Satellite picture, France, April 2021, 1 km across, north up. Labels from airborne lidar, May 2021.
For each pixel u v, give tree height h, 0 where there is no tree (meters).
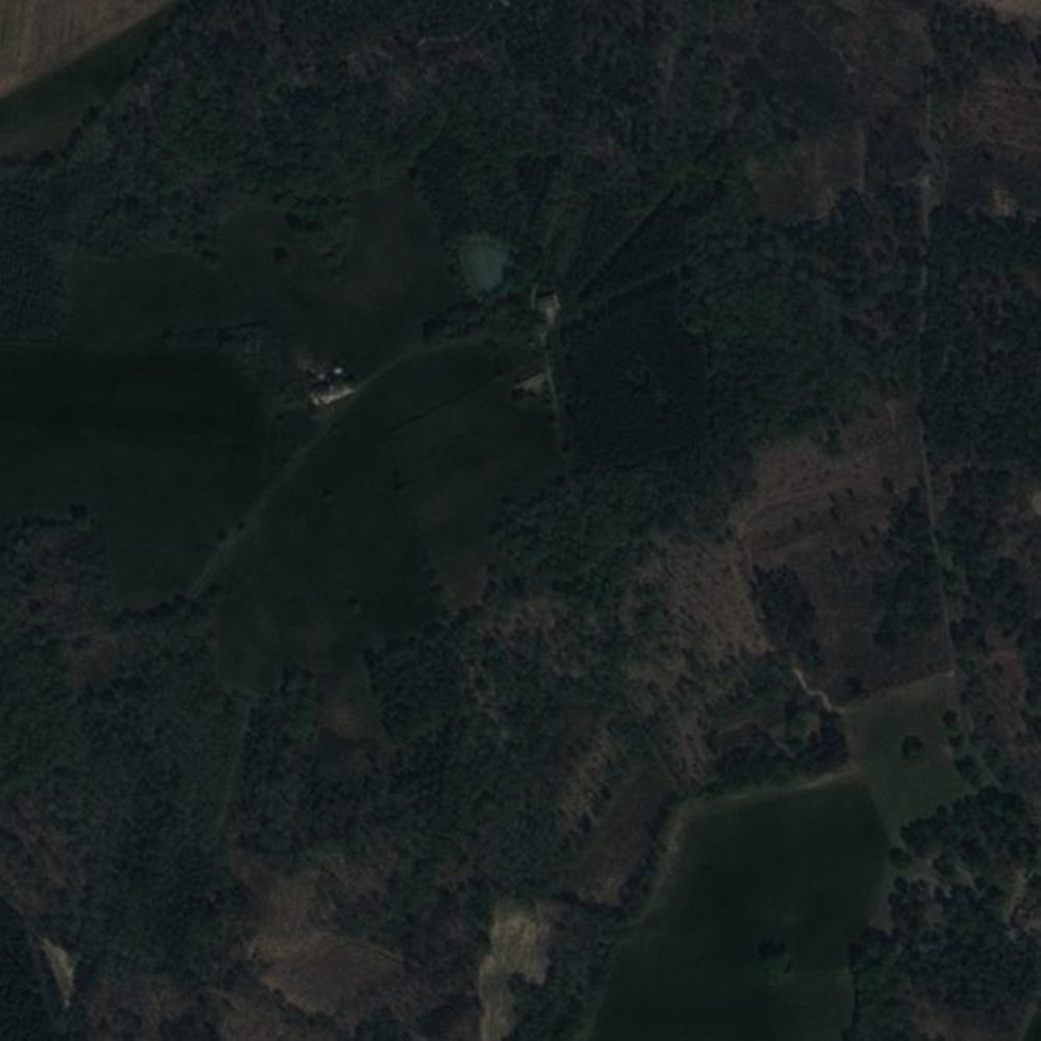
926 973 24
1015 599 17
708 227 20
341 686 0
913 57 0
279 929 0
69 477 0
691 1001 0
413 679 26
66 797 19
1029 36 12
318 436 0
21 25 0
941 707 0
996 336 22
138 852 23
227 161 26
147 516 0
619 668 23
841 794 0
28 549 12
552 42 20
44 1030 18
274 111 23
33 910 14
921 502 17
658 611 16
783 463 0
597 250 13
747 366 23
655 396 16
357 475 0
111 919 21
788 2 0
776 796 0
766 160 23
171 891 24
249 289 0
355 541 0
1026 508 10
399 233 0
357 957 0
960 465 7
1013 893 0
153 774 22
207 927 27
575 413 12
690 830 0
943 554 13
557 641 19
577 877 0
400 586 0
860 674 0
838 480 0
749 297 25
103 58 0
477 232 16
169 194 15
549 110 17
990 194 0
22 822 28
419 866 12
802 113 0
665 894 0
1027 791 20
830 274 11
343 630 0
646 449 15
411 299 0
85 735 15
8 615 11
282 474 0
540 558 16
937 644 0
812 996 0
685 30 19
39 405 0
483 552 0
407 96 17
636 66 8
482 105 23
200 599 0
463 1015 8
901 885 0
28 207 10
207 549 0
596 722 15
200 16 20
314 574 0
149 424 0
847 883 0
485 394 0
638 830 0
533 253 20
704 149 19
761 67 0
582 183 20
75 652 10
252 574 0
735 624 0
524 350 0
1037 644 13
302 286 0
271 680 0
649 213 14
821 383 18
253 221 0
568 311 0
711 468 12
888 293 9
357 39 23
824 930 0
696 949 0
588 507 15
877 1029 15
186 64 12
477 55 20
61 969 0
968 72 21
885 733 0
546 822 20
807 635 23
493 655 17
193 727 15
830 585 0
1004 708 16
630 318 14
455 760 20
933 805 0
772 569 0
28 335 11
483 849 17
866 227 20
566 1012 17
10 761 22
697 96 20
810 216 0
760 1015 0
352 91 18
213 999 23
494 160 22
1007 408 22
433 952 10
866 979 26
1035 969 23
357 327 0
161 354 0
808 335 22
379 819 8
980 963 25
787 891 0
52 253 15
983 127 9
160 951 23
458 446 0
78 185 8
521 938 0
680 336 16
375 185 11
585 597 16
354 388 8
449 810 19
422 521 0
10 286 15
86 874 14
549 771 14
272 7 20
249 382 0
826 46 0
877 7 0
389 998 15
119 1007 8
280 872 23
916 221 21
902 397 24
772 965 20
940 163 8
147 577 0
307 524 0
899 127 17
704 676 25
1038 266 23
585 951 17
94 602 9
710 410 18
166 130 23
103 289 0
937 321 23
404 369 0
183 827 26
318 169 21
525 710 17
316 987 0
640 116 19
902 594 8
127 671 14
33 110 0
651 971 0
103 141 14
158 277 0
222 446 0
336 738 0
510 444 0
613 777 17
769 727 0
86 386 0
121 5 0
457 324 7
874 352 19
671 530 23
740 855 0
